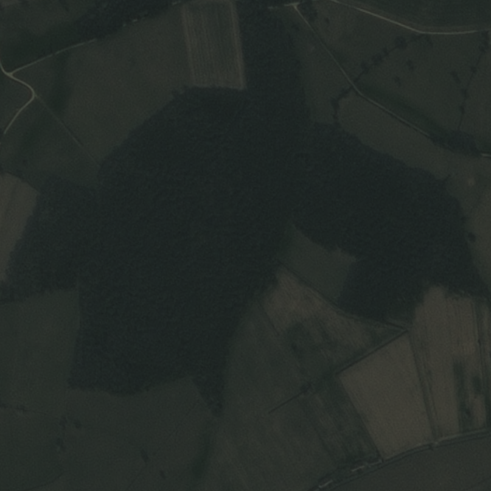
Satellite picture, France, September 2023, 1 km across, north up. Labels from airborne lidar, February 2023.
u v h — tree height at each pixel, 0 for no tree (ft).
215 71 0
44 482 0
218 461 0
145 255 74
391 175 84
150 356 77
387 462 0
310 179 80
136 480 0
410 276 70
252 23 65
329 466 0
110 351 73
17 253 48
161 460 0
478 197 0
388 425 0
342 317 0
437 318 0
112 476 0
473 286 64
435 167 0
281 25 65
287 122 78
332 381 0
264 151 80
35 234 68
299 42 0
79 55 0
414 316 0
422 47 0
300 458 0
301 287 0
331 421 0
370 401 0
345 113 0
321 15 0
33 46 0
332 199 74
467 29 0
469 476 0
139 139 39
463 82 0
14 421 0
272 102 75
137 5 66
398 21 0
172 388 0
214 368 41
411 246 72
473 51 0
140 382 81
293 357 0
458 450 0
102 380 74
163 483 0
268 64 60
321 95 0
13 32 0
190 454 0
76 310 0
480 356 0
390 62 0
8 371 0
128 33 0
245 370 0
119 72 0
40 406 0
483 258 0
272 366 0
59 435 0
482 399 0
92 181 0
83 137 0
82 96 0
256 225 47
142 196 82
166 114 35
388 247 60
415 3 0
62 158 0
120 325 76
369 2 0
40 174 0
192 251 59
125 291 57
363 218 65
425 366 0
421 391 0
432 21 0
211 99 34
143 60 0
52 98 0
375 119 0
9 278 58
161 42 0
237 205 65
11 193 0
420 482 0
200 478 0
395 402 0
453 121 0
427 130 0
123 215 65
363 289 62
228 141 79
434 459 0
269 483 0
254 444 0
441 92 0
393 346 0
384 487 0
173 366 41
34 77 0
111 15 34
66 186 59
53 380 0
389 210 78
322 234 71
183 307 81
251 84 50
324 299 0
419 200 66
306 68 0
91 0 0
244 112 56
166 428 0
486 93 0
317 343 0
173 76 0
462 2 0
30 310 0
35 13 0
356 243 58
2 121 0
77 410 0
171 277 73
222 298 71
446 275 69
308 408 0
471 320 0
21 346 0
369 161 73
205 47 0
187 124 66
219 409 72
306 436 0
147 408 0
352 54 0
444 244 75
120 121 0
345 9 0
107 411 0
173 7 0
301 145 79
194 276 61
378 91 0
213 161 56
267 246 68
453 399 0
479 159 0
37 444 0
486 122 0
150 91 0
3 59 0
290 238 0
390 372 0
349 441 0
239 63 0
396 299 63
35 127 0
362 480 0
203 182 43
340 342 0
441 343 0
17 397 0
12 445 0
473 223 0
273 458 0
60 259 67
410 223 81
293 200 85
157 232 73
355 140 54
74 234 69
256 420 0
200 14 0
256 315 0
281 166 68
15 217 0
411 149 0
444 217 83
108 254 71
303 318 0
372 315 47
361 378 0
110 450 0
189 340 50
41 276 20
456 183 0
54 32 0
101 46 0
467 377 0
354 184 78
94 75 0
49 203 60
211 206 62
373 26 0
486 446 0
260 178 85
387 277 73
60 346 0
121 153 53
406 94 0
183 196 43
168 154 38
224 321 31
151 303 59
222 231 67
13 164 0
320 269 0
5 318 0
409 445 0
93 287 46
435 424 0
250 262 75
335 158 74
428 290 0
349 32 0
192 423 0
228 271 77
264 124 85
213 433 0
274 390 0
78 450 0
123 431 0
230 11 0
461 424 0
